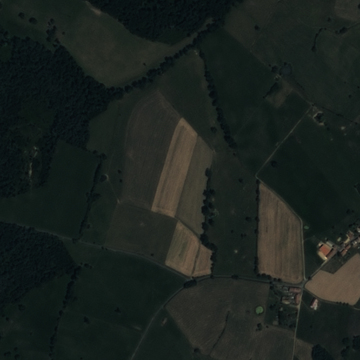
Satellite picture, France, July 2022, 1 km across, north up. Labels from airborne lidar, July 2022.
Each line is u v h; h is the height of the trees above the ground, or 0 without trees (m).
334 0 0
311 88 0
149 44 0
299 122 0
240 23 0
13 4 0
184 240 0
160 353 0
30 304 0
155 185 0
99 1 21
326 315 0
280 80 0
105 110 6
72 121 23
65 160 0
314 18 0
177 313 0
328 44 0
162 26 22
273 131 0
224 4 26
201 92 0
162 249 0
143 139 0
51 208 0
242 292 0
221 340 0
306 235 0
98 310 0
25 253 13
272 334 0
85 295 0
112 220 0
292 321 0
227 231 0
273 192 0
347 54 0
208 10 24
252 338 0
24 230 25
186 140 0
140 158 0
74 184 0
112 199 0
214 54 0
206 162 0
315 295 0
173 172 0
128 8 26
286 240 0
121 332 0
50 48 0
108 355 0
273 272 0
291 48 0
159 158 0
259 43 0
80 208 0
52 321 0
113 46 0
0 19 0
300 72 0
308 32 0
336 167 0
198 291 0
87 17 0
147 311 0
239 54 0
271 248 0
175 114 0
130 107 0
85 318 0
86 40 0
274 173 0
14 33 0
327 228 0
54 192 0
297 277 0
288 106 0
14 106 18
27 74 23
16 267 15
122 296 0
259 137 0
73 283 14
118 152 0
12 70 24
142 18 25
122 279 0
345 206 0
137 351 0
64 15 0
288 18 0
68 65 21
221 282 0
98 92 22
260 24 0
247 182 0
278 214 0
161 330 0
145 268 0
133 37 0
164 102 0
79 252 0
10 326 0
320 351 22
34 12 0
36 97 22
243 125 0
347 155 0
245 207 0
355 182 0
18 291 19
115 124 0
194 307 0
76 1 0
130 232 0
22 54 20
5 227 19
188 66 0
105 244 0
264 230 0
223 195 0
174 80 0
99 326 0
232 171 0
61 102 27
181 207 0
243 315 0
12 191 7
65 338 0
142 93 0
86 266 15
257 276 8
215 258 14
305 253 0
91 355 0
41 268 6
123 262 0
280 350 0
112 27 0
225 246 0
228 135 10
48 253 18
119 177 0
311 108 0
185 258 0
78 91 26
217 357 0
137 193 0
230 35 0
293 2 0
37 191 0
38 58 13
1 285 18
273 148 0
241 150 0
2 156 22
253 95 0
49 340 0
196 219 0
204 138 0
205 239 22
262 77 0
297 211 0
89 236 0
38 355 0
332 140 0
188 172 0
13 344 0
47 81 26
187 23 25
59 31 0
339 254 14
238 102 0
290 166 0
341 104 0
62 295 0
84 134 22
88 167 0
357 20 0
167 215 0
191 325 0
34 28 0
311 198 0
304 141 0
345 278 0
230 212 0
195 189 0
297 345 0
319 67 0
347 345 12
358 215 0
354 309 0
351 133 0
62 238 0
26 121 8
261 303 0
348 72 0
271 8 0
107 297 0
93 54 0
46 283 15
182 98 0
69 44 0
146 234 0
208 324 0
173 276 0
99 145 0
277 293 8
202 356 0
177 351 0
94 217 0
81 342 0
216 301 0
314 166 0
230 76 0
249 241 0
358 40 0
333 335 0
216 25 22
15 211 0
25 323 0
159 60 0
